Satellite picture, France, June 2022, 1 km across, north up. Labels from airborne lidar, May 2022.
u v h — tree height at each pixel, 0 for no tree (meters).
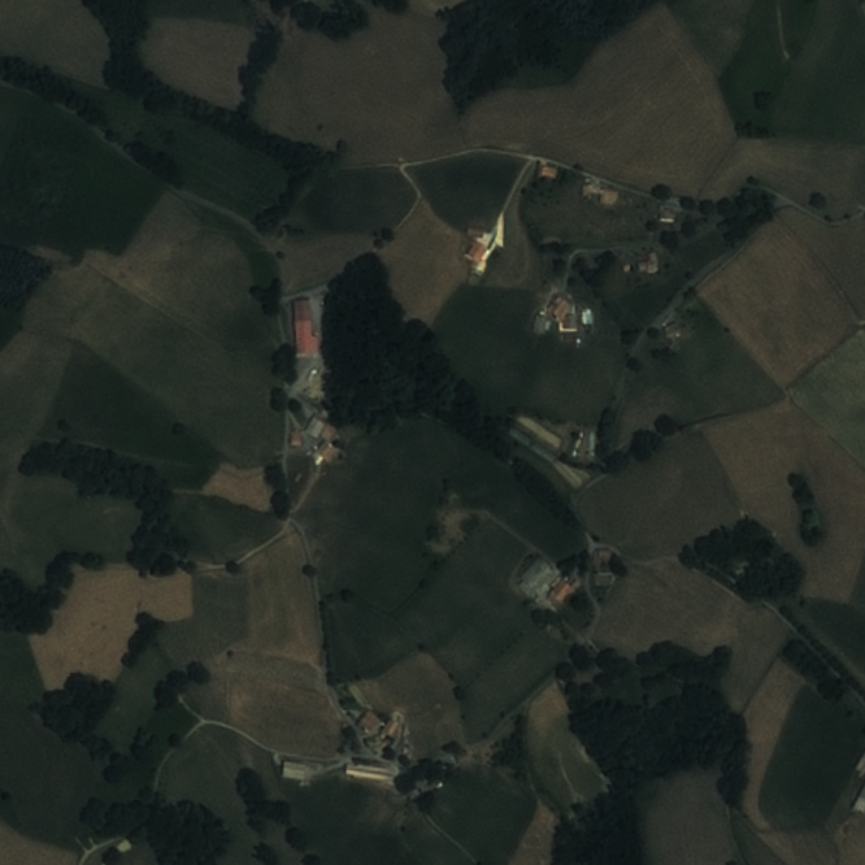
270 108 0
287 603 0
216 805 0
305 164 19
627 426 0
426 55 0
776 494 0
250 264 0
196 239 0
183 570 15
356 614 0
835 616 0
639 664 11
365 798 0
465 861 0
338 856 0
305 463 0
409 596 0
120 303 0
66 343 0
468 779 0
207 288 0
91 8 16
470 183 0
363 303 23
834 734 0
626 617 0
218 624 0
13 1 0
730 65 0
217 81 0
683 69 0
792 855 0
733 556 9
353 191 0
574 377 0
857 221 0
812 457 0
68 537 0
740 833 0
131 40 17
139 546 19
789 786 0
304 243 0
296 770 0
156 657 0
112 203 0
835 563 0
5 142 0
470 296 0
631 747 26
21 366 0
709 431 0
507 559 0
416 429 0
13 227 0
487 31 16
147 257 0
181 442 0
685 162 0
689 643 0
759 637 0
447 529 0
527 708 0
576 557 10
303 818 0
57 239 0
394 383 23
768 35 0
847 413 0
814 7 0
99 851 0
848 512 0
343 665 0
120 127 0
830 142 0
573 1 16
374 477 0
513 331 0
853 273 0
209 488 0
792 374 0
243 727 0
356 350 29
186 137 0
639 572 0
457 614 0
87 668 0
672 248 14
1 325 0
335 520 0
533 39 9
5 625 16
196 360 0
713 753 23
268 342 0
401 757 10
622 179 0
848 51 0
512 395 0
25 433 0
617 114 0
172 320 0
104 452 13
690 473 0
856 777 0
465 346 0
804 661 6
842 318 0
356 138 0
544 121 0
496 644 0
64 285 0
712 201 10
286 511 14
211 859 27
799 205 0
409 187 0
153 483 21
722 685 0
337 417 11
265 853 23
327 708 0
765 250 0
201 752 0
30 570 0
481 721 0
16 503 0
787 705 0
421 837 0
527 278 0
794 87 0
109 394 0
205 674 17
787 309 0
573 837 26
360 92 0
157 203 0
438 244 0
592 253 0
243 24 0
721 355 0
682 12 0
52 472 17
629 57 0
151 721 0
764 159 0
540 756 0
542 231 0
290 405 12
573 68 0
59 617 0
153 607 0
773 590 17
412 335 27
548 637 0
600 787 0
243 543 0
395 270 0
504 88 0
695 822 0
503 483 0
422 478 0
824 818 0
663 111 0
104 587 0
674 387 0
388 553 0
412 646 0
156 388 0
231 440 0
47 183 0
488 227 0
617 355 0
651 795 0
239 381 0
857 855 0
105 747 20
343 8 23
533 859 0
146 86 18
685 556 16
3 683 0
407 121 0
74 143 0
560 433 0
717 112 0
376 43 0
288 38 0
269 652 0
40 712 11
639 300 0
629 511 0
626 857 22
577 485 0
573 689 14
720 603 0
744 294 0
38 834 0
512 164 0
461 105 7
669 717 28
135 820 19
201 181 0
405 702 0
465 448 0
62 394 0
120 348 0
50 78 16
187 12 0
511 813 0
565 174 7
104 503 0
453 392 22
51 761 0
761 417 0
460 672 0
